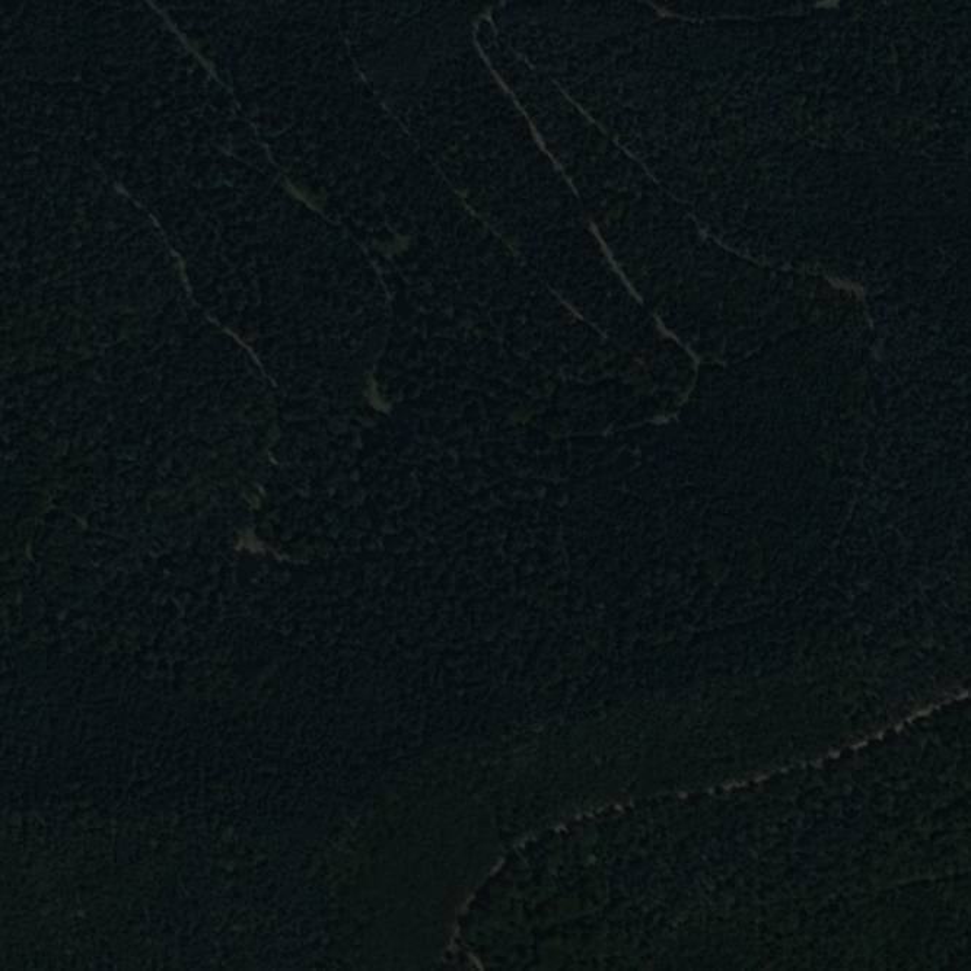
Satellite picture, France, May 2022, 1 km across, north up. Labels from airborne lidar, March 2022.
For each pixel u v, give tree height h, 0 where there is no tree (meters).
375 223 30
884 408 23
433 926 17
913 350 21
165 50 28
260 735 22
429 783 16
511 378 35
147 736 22
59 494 15
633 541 21
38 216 29
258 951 9
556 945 26
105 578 30
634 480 23
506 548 31
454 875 20
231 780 24
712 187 19
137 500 18
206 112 30
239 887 14
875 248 21
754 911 7
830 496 15
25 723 23
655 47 17
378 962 20
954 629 37
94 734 20
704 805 15
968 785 25
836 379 12
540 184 21
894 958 11
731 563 16
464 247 28
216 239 34
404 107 22
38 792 22
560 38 20
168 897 18
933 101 21
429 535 31
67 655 21
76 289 27
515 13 17
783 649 12
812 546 9
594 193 17
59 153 31
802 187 14
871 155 17
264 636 23
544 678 26
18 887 11
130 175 33
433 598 30
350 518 36
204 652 31
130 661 23
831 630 18
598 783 13
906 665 32
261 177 20
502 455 34
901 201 18
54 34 22
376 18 20
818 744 16
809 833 21
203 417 29
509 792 12
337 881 13
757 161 15
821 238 17
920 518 15
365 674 16
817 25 16
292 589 35
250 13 31
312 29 23
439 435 33
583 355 28
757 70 21
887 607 22
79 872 12
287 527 29
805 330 14
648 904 24
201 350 26
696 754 12
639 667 18
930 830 13
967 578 34
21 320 26
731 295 15
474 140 24
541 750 13
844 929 19
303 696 17
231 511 28
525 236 26
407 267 15
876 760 24
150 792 22
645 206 23
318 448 29
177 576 37
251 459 26
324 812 22
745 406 13
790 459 17
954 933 11
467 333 9
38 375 29
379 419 22
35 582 21
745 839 22
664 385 26
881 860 18
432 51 18
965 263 12
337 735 17
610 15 23
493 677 29
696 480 23
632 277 12
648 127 20
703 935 9
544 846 19
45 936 6
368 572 31
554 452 12
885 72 24
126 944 11
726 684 9
